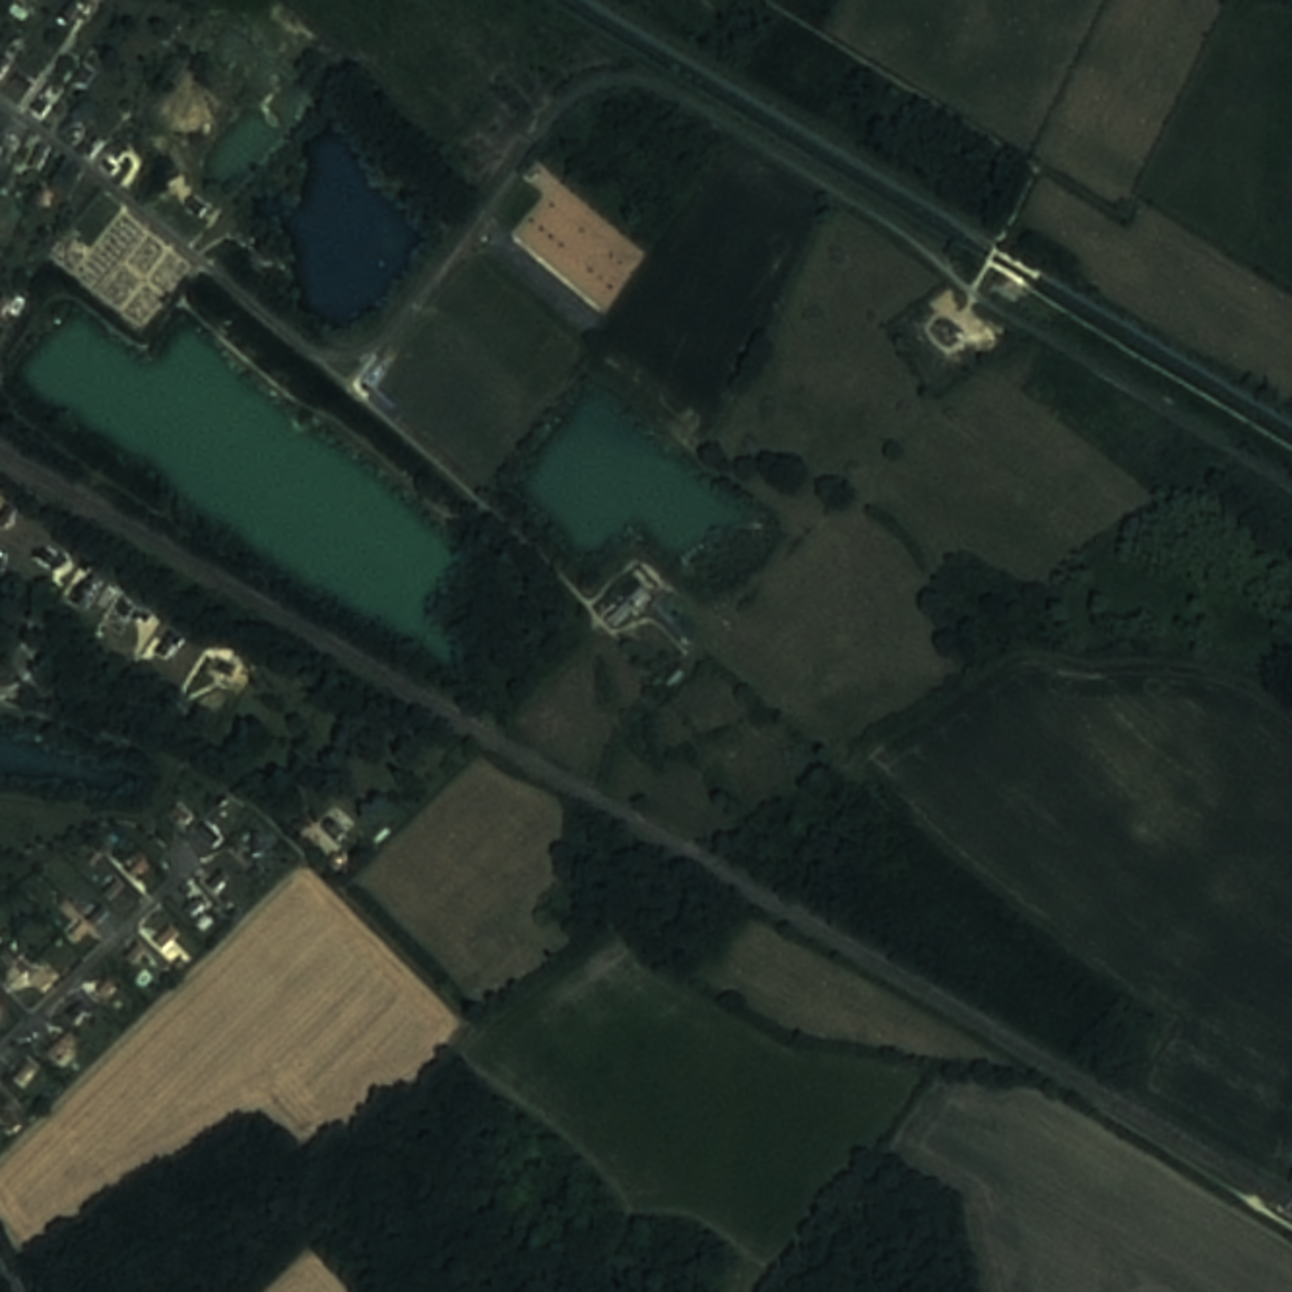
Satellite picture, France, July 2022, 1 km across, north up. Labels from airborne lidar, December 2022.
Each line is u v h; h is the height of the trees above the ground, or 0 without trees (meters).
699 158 11
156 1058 0
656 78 0
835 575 0
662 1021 0
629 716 10
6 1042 0
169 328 7
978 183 29
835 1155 0
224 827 0
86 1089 0
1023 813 0
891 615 0
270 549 0
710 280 0
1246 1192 0
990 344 0
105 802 11
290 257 6
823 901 14
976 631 18
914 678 0
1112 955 0
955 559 13
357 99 33
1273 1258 0
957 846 0
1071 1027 6
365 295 0
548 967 8
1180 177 0
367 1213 17
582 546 0
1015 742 0
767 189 0
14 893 8
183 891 7
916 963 12
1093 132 0
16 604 31
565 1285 13
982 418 0
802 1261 21
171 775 0
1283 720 0
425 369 0
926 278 0
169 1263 24
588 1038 0
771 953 0
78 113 12
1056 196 0
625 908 24
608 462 0
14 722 11
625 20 0
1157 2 0
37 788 11
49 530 13
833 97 6
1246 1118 0
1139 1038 21
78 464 6
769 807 10
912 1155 0
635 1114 0
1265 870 0
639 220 21
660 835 0
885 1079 0
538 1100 0
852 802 6
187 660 0
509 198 0
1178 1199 0
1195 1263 0
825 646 0
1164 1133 0
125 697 27
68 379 0
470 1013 12
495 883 0
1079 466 0
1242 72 0
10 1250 13
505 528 20
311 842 10
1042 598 15
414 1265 22
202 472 0
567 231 0
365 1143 16
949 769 0
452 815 0
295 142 11
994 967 7
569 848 17
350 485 0
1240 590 16
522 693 17
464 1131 24
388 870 0
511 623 26
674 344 0
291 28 0
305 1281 0
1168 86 0
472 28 0
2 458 0
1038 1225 0
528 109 8
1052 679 0
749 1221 0
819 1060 0
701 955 14
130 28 18
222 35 0
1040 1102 0
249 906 0
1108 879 0
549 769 0
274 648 21
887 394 0
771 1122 0
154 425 0
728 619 0
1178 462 5
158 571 16
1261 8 0
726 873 0
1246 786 0
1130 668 0
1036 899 0
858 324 0
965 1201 11
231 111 0
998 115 0
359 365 0
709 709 0
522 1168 22
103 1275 16
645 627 0
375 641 18
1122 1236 0
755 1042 0
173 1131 0
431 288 0
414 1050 0
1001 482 0
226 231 0
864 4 0
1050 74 0
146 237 0
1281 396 13
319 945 0
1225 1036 0
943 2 0
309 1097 0
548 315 0
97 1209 14
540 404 0
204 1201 18
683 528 0
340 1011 0
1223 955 0
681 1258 9
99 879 0
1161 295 0
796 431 0
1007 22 0
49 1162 0
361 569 0
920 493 0
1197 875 0
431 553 0
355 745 23
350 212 0
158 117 0
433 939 0
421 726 13
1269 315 0
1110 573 0
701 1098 0
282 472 0
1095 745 0
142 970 0
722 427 0
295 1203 22
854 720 0
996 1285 0
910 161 26
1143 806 0
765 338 14
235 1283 24
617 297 0
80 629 24
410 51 0
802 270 0
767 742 0
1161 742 0
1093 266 0
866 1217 17
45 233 10
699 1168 0
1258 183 0
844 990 0
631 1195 0
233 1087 0
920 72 0
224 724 0
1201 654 19
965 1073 8
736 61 17
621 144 9
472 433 0
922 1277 20
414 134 32
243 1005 0
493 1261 21
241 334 7
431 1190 22
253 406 0
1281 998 0
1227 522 15
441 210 27
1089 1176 0
